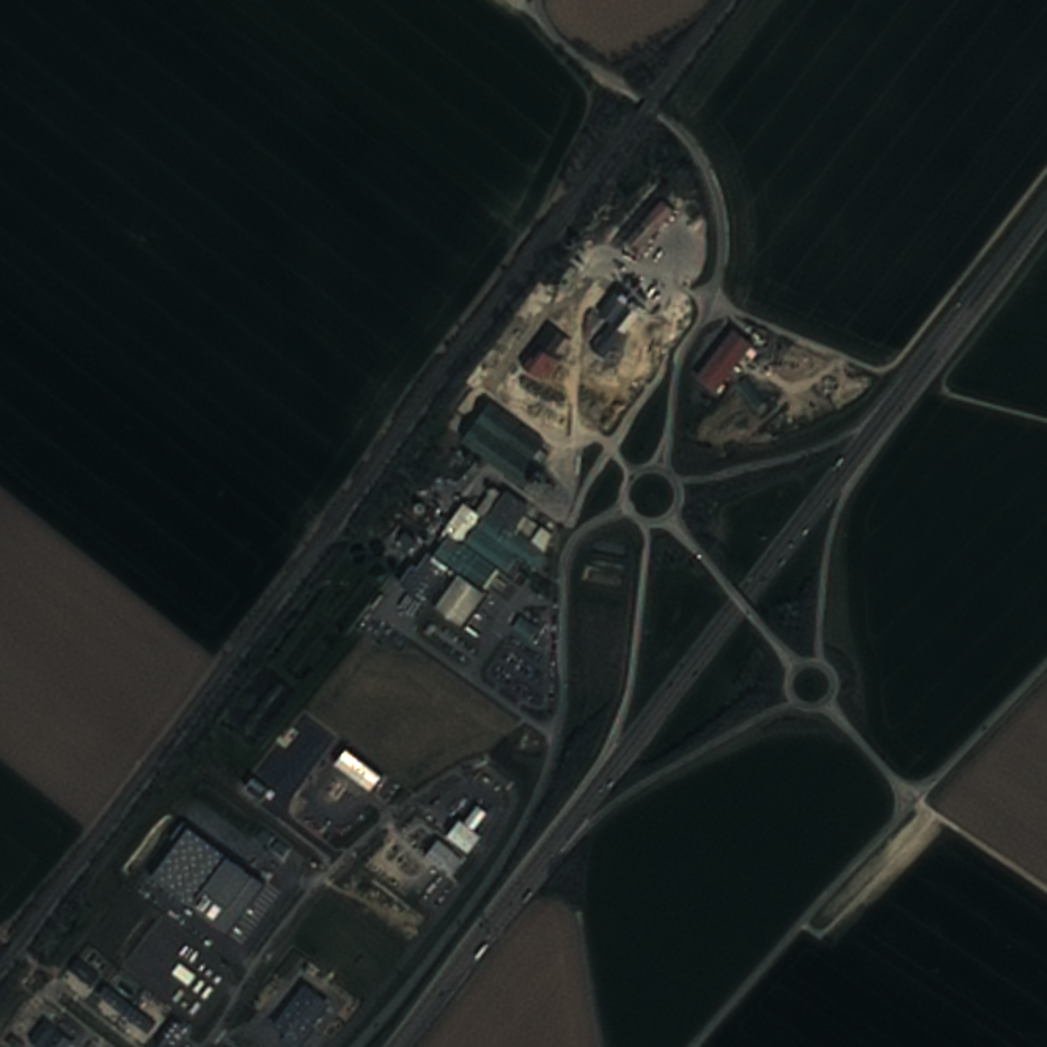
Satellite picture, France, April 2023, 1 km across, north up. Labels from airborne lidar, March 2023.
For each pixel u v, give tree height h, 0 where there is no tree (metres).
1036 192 0
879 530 0
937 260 0
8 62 0
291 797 0
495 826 0
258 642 10
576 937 0
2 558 0
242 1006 0
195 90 0
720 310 0
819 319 0
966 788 0
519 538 0
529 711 0
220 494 0
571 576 0
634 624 0
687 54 0
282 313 0
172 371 0
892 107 0
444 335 0
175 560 0
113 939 0
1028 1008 0
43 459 0
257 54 0
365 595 0
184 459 0
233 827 0
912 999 0
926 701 0
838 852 0
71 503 0
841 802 0
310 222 0
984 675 0
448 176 0
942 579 0
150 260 0
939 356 0
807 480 0
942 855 0
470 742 0
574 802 0
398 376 0
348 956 0
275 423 0
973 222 0
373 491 7
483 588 0
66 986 0
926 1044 0
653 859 0
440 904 0
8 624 0
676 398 0
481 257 0
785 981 0
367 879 0
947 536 0
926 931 0
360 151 0
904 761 0
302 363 0
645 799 0
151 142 0
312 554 0
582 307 0
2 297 0
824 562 0
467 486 0
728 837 0
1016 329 0
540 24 0
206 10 0
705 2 0
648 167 11
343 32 0
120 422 0
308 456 0
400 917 0
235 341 0
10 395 0
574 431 0
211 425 0
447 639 0
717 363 0
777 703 0
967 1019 0
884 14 0
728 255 0
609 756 0
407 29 0
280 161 0
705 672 0
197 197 0
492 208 0
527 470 0
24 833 0
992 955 0
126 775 0
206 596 0
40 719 0
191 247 0
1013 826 0
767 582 0
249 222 0
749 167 0
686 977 0
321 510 0
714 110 0
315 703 0
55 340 0
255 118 0
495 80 0
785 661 0
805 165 0
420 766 0
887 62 0
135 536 0
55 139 0
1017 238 0
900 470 0
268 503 0
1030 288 0
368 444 0
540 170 0
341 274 0
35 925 0
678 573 0
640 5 0
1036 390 0
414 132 0
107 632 0
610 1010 0
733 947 0
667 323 0
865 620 0
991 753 0
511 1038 0
